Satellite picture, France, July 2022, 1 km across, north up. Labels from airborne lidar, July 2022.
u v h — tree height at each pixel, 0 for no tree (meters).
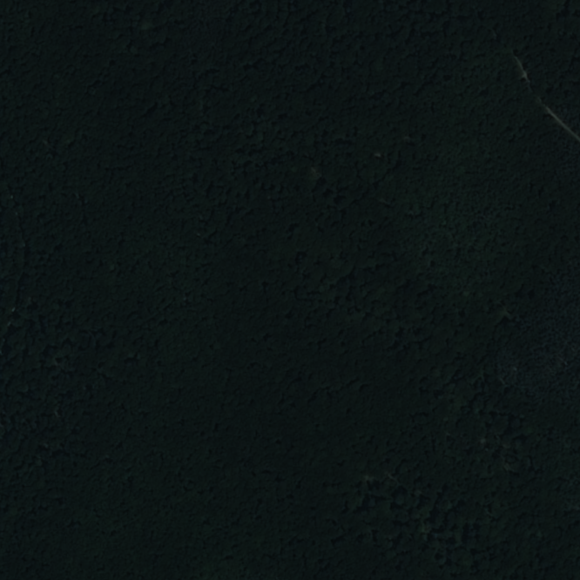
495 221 24
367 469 30
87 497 26
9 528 33
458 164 21
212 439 26
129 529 24
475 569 23
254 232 23
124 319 30
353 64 28
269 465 27
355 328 32
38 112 29
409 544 32
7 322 19
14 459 32
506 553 25
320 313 31
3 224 28
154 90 28
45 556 27
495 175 22
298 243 35
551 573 33
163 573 25
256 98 29
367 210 27
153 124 28
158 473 25
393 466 31
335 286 22
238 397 30
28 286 30
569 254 26
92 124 30
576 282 24
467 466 29
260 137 35
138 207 25
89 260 28
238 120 27
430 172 23
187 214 26
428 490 34
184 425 26
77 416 33
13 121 29
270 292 31
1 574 27
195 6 22
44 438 29
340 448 30
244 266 27
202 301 28
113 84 24
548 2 36
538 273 30
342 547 29
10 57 29
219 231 26
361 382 23
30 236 28
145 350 28
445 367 40
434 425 27
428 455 28
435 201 18
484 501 28
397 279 33
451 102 21
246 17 28
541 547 28
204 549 24
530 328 27
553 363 22
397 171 24
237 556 23
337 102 30
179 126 26
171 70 20
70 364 33
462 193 21
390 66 33
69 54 33
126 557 30
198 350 27
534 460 27
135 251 24
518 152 24
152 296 23
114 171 29
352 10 29
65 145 20
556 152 21
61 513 25
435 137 23
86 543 23
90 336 24
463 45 26
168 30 30
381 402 31
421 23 31
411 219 23
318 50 31
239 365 31
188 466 25
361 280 27
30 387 33
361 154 27
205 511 25
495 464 31
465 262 20
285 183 29
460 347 32
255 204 32
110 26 35
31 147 29
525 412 33
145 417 23
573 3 33
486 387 26
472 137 22
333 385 29
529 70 23
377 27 29
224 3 27
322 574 29
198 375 27
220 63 21
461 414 24
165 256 27
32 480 30
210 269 27
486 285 25
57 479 27
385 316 32
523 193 26
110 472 23
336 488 33
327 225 29
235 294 30
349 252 30
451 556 35
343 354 28
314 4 31
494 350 25
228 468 30
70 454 30
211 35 23
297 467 31
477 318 30
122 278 25
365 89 30
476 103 23
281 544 26
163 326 24
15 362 35
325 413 29
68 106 27
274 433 29
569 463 28
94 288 29
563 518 26
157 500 23
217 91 25
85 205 25
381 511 35
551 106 23
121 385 27
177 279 25
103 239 26
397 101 30
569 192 22
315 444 30
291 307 30
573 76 24
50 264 29
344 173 30
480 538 33
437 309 33
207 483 25
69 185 29
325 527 27
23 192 29
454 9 30
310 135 32
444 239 18
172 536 25
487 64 24
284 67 27
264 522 26
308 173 25
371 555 31
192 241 27
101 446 27
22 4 28
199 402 29
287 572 28
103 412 27
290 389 29
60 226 28
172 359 24
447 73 31
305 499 31
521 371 22
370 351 30
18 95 32
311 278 28
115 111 30
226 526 22
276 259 30
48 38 28
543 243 26
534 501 30
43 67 27
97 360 25
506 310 24
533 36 22
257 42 28
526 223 27
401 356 37
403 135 23
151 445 22
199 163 29
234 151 24
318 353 25
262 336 29
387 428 30
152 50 31
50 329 34
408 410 29
